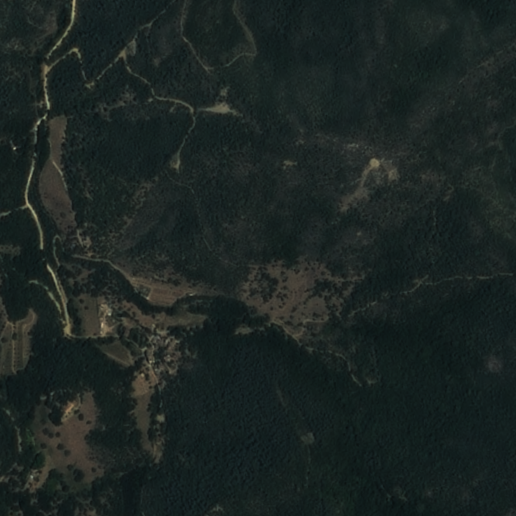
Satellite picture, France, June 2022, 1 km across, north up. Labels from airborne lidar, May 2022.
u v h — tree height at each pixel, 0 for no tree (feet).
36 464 66
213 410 26
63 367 26
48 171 0
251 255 21
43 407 0
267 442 44
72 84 20
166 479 19
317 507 50
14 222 27
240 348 46
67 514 53
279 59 20
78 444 0
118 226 20
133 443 43
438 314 26
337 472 34
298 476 32
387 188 25
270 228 20
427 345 42
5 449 39
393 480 24
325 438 24
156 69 27
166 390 26
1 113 21
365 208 22
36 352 42
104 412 21
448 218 20
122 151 24
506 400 19
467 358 24
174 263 22
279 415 52
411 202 26
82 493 31
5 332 0
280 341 33
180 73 24
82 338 19
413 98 18
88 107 33
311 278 0
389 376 34
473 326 23
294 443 49
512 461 23
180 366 23
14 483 48
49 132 23
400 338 46
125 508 30
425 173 19
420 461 34
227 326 41
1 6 17
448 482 27
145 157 21
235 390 64
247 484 48
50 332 24
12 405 37
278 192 23
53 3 30
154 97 20
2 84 25
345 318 40
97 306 0
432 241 23
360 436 37
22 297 41
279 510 36
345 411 27
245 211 22
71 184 32
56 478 26
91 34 44
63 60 22
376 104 19
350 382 28
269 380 60
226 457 38
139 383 0
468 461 22
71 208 21
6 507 43
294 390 45
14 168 40
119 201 21
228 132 23
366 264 21
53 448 0
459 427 19
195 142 25
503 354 22
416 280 23
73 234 34
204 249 28
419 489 22
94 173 33
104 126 27
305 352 31
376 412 31
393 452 27
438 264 27
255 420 56
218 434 24
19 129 44
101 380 46
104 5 52
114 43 36
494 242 25
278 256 39
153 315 19
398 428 36
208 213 20
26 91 27
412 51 28
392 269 28
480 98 24
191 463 31
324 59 19
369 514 37
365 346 22
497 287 35
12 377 48
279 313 0
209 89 21
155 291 0
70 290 26
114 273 20
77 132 42
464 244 25
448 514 19
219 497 31
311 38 23
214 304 28
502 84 21
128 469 27
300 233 20
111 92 32
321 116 18
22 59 23
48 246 19
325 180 23
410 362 18
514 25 26
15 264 47
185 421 29
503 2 19
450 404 27
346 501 21
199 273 22
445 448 28
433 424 36
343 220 22
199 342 28
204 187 35
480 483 31
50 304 28
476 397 38
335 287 21
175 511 27
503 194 0
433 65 27
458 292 23
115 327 0
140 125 21
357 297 40
